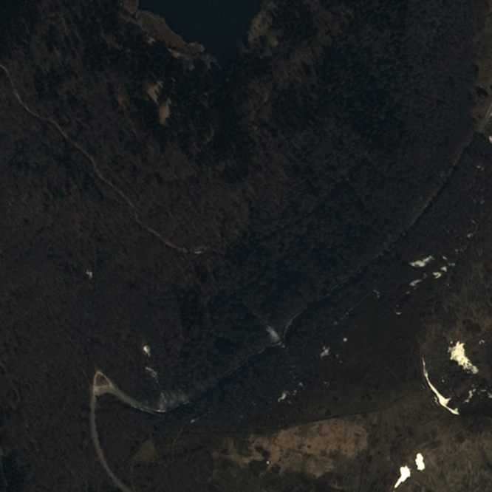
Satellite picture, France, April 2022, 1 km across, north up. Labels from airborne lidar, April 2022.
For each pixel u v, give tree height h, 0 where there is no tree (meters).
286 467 0
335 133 17
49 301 12
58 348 15
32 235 16
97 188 22
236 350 15
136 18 0
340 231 24
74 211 22
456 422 0
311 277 17
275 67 24
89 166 19
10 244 15
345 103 37
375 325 0
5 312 20
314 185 19
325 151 28
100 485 9
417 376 0
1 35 12
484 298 14
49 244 11
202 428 7
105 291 22
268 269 21
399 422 0
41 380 15
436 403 0
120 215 27
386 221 12
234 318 21
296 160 26
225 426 7
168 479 10
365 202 24
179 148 28
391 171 18
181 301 26
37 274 16
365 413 0
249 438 0
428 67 23
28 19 17
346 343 0
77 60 15
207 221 27
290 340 12
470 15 18
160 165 14
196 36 0
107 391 0
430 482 0
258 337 15
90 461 13
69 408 13
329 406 0
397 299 0
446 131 15
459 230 9
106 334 19
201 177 23
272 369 9
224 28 0
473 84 13
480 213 11
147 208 27
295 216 26
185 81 15
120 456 7
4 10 21
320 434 0
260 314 17
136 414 8
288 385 9
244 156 19
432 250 7
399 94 24
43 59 11
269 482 0
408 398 0
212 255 21
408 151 19
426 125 20
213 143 6
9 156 20
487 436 0
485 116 0
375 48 27
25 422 17
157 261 13
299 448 0
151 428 9
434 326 0
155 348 17
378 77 12
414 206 16
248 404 7
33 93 22
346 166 24
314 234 25
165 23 0
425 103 19
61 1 19
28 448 13
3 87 14
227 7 0
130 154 14
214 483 0
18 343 18
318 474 0
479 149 10
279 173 30
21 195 8
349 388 0
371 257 16
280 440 0
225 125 16
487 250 13
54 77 16
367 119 20
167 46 0
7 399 11
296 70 29
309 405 0
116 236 23
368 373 0
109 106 31
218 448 0
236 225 30
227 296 12
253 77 23
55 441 14
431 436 0
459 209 10
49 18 23
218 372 15
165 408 16
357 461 0
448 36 20
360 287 7
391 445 0
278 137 28
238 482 0
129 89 24
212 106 12
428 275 0
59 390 16
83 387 11
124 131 27
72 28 25
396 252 12
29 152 21
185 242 9
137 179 19
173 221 20
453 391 0
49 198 25
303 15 17
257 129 29
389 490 0
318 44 22
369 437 0
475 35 17
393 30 25
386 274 10
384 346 0
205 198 21
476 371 0
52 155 18
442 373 0
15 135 21
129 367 21
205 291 9
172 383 19
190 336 19
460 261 10
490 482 9
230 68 37
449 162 15
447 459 0
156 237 11
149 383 20
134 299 25
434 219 9
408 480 0
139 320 20
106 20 37
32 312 15
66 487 14
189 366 18
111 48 9
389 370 0
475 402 0
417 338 0
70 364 16
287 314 15
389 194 20
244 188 25
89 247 18
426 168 15
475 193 10
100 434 11
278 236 27
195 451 7
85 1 18
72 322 14
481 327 10
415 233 9
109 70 24
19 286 17
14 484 22
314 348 8
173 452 0
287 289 22
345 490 0
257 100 21
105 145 25
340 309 7
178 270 24
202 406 7
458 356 0
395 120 22
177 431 7
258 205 21
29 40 19
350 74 31
